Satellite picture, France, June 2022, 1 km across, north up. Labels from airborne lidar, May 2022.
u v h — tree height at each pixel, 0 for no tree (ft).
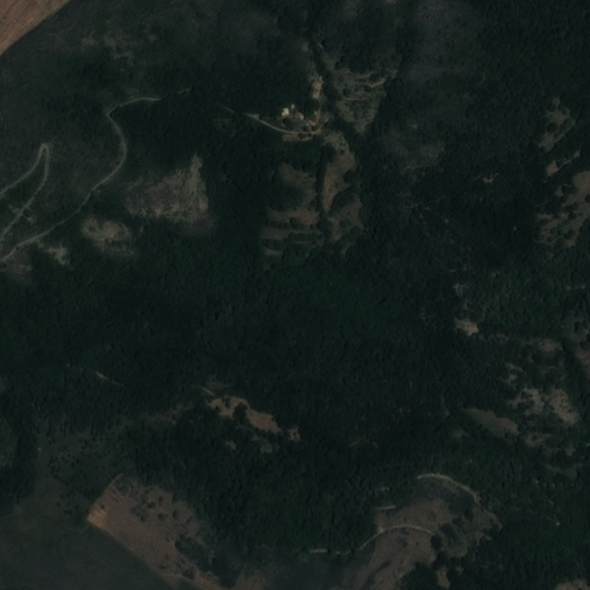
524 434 26
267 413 30
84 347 65
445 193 53
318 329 81
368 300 61
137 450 36
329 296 76
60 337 63
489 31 40
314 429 66
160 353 57
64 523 0
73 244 21
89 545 0
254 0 24
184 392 35
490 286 55
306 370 55
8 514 0
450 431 69
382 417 50
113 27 0
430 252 47
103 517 0
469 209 78
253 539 45
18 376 58
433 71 0
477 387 50
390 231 37
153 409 23
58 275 25
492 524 20
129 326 65
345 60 53
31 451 20
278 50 39
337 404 44
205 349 48
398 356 42
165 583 0
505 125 57
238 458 54
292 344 53
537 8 49
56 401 32
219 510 70
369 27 24
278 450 29
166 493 0
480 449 51
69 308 51
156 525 0
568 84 39
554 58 51
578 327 38
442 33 31
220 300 39
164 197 0
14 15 0
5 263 21
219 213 47
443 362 85
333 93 30
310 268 52
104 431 22
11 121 0
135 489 0
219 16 32
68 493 21
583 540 41
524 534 44
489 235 68
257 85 42
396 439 67
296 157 22
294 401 46
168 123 44
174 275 41
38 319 52
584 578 74
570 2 37
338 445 65
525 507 50
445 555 55
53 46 0
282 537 46
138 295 73
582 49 54
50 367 66
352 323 75
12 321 23
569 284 46
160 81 30
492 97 45
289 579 0
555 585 64
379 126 23
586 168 58
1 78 0
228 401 30
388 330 61
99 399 37
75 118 35
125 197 0
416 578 48
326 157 48
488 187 33
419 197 42
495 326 43
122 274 55
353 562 0
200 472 60
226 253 60
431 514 0
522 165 47
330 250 34
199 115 65
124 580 0
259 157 45
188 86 30
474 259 45
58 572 0
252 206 53
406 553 0
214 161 51
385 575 0
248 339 74
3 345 40
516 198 67
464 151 46
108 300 70
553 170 0
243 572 0
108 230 0
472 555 35
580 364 35
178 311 80
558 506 38
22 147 0
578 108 52
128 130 24
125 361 26
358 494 34
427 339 60
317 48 41
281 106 35
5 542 0
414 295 59
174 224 17
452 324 58
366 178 62
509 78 39
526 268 69
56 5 0
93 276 47
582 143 60
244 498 77
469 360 69
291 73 27
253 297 50
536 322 31
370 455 75
